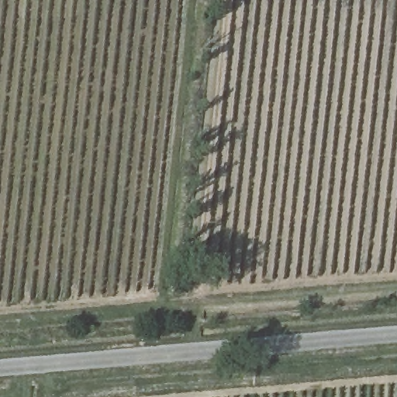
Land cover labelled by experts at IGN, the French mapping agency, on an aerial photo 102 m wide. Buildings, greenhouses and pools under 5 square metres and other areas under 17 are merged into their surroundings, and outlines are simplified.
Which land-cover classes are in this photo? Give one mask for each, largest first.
<instances>
[{"label":"vineyard","instance_id":"1","mask_svg":"<svg viewBox=\"0 0 397 397\"><path fill-rule=\"evenodd\" d=\"M189 0H0V315L71 309H82L79 315L87 337L70 338H53L37 346H0V350L90 343H104L107 349L146 346L140 337L135 335L98 337L95 330L90 332V329L91 326L99 327L101 323L95 315L88 312L87 307L121 306L132 302L149 301H155L160 292L164 251ZM222 9L226 16L219 22L211 20V23L206 25L205 31L209 36L208 53H203L202 65L195 71V79L208 74L206 96L209 102L200 113L205 115V124H209L211 129L203 138L209 141L211 146H217V152L209 154L198 169L192 164L191 175H197L198 172L203 174L200 185L194 189L197 200H200L194 226H200V230L188 239L181 237L180 245L177 247L180 256L185 261L194 262L195 265L194 271L188 276V287L183 288L186 292L181 295L183 301H194L205 295L220 293L261 292L274 288L340 284L338 295L326 296L324 302L332 304L337 301H372L397 292V0H225ZM299 306V304L298 301L236 302L208 306V313L248 312L254 309ZM366 346L315 350L316 354L343 355L361 352ZM212 385L217 388L214 391L177 392L146 397H397V377L380 375L276 385L270 375H243L242 378H237L236 375L233 380L225 381L214 374L209 375ZM95 397H138L135 386L101 389L91 392Z\"/></svg>","mask_w":397,"mask_h":397},{"label":"herbaceous vegetation","instance_id":"2","mask_svg":"<svg viewBox=\"0 0 397 397\"><path fill-rule=\"evenodd\" d=\"M209 0H189L164 251L171 250L174 226L177 225L180 195H177V183L181 181V177L191 175L192 164V161L185 160V146L191 147L194 136L203 138L211 129L209 124H205V115L200 113L209 102L206 96L208 74L195 79V71L202 65L203 53H208L209 36L205 31L206 25L205 11ZM340 284L274 288L261 292L220 293L205 295L194 301H183L181 306L174 310V316L183 319L185 332H191L195 319L208 318V306L236 302L298 301L299 304L302 301H309L312 309H319L323 307L324 302L326 296L338 295ZM152 309L149 301L132 302L121 306L87 307L88 312L95 315L101 323L99 327L91 326L90 329V332L95 330L98 337L135 335L133 321L140 318L141 312ZM251 316H271L267 326L261 330L250 329L247 332L248 340H256V344L270 346L271 358L268 360L274 364L278 363L281 355L295 357L301 352L315 350L366 346L397 341V316L318 324L316 319H310L309 315L299 312V306L254 309L248 312ZM82 309H71L0 315V346H37L53 338H70L67 332L68 318L79 315ZM107 349L104 343H90L0 350V358L74 354ZM135 386L138 397H146L177 392L214 391L217 388L212 385L209 375L208 361H175L123 368L79 369L0 377V397H95L91 392L101 389Z\"/></svg>","mask_w":397,"mask_h":397},{"label":"deciduous trees","instance_id":"3","mask_svg":"<svg viewBox=\"0 0 397 397\"><path fill-rule=\"evenodd\" d=\"M225 0H209L205 11L206 25L211 23V20L219 22L226 16L222 9ZM217 152V146H211L209 141L203 138L194 136L191 147L185 146V160L192 161V164L198 169L209 154ZM203 174L198 172L197 175H191L181 177V181L177 183V195H180L177 225L174 226L171 250L164 251L160 292L155 301H149L152 309L141 312L140 318L133 321L135 335L140 337L146 346L222 340V347L217 349L216 354L208 361L209 375L214 374L225 381L233 380L236 375L237 378H242L243 375H270L276 385L380 375L397 377V341L366 346L361 352L343 355L316 354L315 350L301 352L295 357L281 355L278 363L274 364L268 360L271 358L270 346L256 344V340H248L247 332L250 329L261 330L267 326L271 316H251L248 312L208 313V318L195 319L191 332H185L183 319L174 316V310L181 306L183 301L181 295L186 292L183 288L188 287V276L194 271L195 265L194 262L185 261L180 256L177 247L180 245L181 237L188 239L200 230V226H194L200 200H197L194 189L200 185ZM299 312L309 315L310 319H316L318 324L397 316V292L372 301H337L332 304L324 302L323 307L319 309H312L309 301H302L299 304ZM67 332L70 338L87 337L79 315L68 318Z\"/></svg>","mask_w":397,"mask_h":397},{"label":"impervious surface","instance_id":"4","mask_svg":"<svg viewBox=\"0 0 397 397\"><path fill-rule=\"evenodd\" d=\"M222 347V340L146 346L107 349L74 354L0 358V377L79 369L123 368L175 361H208L216 354L217 349Z\"/></svg>","mask_w":397,"mask_h":397}]
</instances>
